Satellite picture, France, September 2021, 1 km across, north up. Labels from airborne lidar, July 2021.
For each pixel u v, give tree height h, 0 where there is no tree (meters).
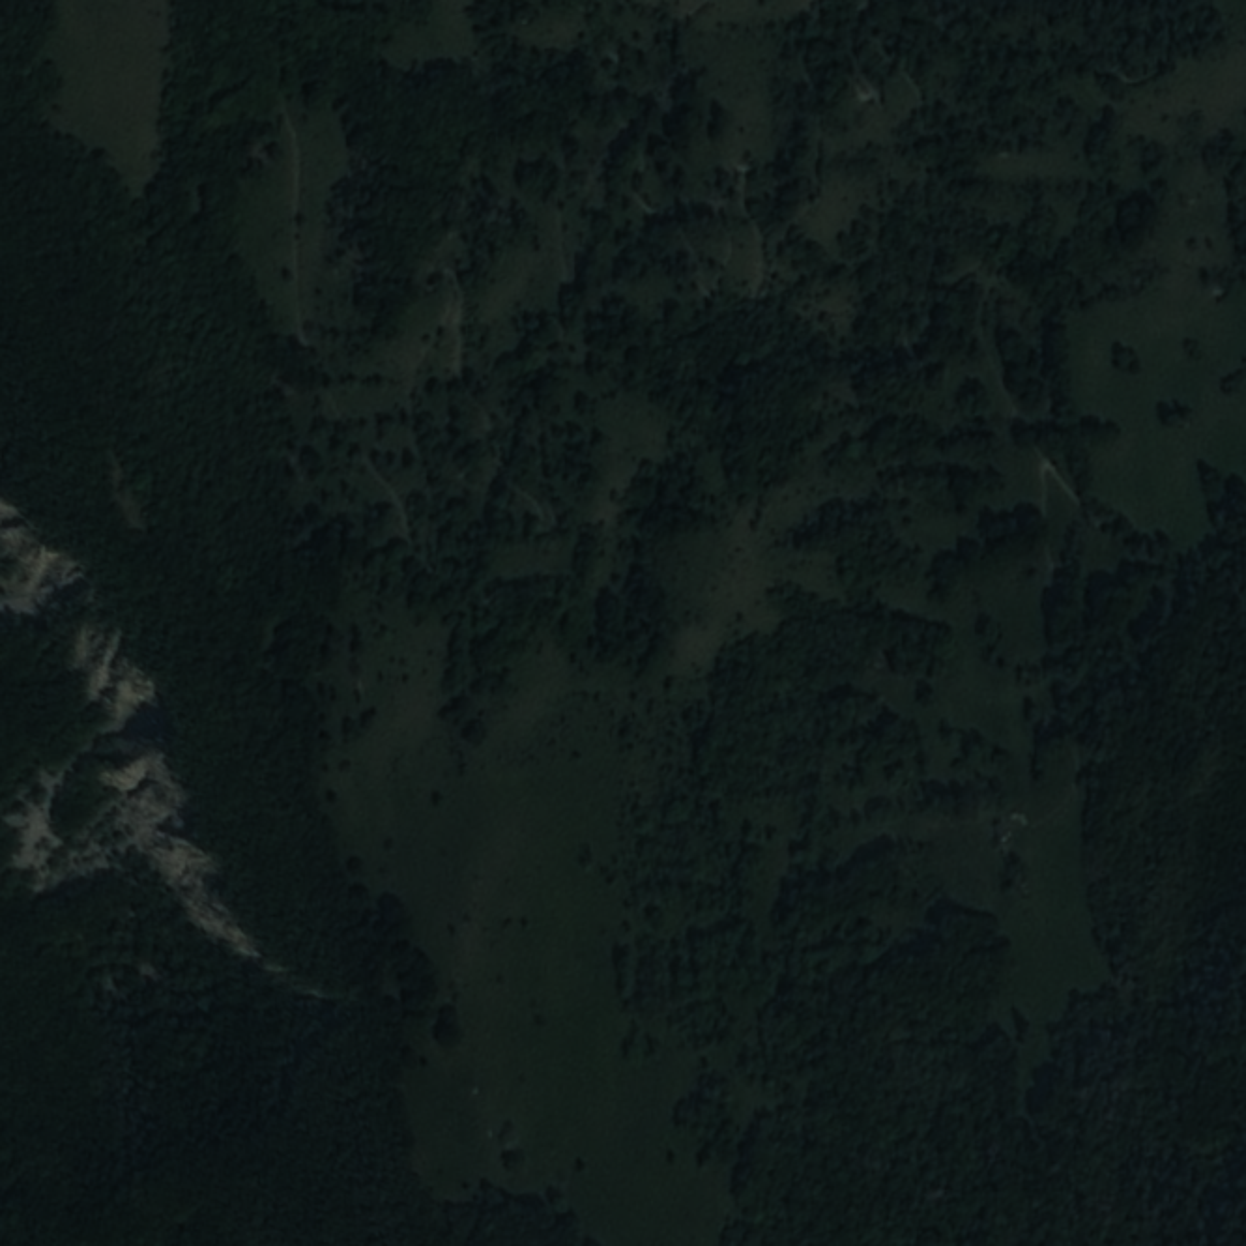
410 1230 18
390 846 9
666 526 19
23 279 12
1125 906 8
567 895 0
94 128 0
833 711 18
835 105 7
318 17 25
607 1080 0
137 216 10
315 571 21
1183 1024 23
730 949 15
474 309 6
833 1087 18
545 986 0
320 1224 19
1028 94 12
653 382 5
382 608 8
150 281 13
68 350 9
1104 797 9
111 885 15
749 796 11
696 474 14
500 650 16
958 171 10
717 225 14
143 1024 13
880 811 14
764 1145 16
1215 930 18
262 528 15
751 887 11
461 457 8
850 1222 12
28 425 16
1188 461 0
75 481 11
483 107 23
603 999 0
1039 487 0
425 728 0
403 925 15
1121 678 7
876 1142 16
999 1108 19
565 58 9
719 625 0
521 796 0
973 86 14
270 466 15
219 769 13
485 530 11
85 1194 26
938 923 13
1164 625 14
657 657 20
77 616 7
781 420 19
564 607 16
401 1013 12
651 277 8
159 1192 17
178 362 9
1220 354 0
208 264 14
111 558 13
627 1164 0
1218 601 8
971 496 16
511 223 13
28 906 13
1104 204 15
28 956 14
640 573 12
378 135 21
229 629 17
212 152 17
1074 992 0
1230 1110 20
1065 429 15
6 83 16
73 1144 24
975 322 11
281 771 13
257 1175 18
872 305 13
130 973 13
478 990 0
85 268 19
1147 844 7
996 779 0
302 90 6
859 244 9
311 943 15
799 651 16
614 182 13
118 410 15
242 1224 12
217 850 10
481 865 0
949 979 16
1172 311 0
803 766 14
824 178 7
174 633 11
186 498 15
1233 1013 25
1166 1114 24
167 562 14
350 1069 16
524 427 7
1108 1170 13
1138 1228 14
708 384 13
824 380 19
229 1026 23
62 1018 19
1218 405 0
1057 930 0
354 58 21
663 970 13
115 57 0
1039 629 0
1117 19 14
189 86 12
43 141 16
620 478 0
